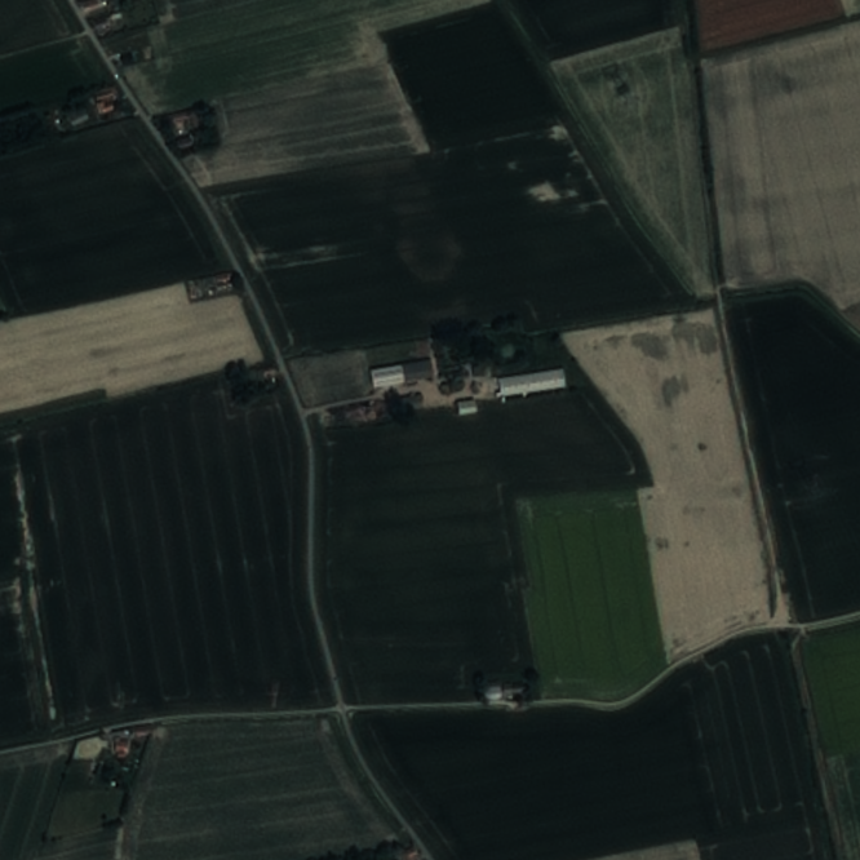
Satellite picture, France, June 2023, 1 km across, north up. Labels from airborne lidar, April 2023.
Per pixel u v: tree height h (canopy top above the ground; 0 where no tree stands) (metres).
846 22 0
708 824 0
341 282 0
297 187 0
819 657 0
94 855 0
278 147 0
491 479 0
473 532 0
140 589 0
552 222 0
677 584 0
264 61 0
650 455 0
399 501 0
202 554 0
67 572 0
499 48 0
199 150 6
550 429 0
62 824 0
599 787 0
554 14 0
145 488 0
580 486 0
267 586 0
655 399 0
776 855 0
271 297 0
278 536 0
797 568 0
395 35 0
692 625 0
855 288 0
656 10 0
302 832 0
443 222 0
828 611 0
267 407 0
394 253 0
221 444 0
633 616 0
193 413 0
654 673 0
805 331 0
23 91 0
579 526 0
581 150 0
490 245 0
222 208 0
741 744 0
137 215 0
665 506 0
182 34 0
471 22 0
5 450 0
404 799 0
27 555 0
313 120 0
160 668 0
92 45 0
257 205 0
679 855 0
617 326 0
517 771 0
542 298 0
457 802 0
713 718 0
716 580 0
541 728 0
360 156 0
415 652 0
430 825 0
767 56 0
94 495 0
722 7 0
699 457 0
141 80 0
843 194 0
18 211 0
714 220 0
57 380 0
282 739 0
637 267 0
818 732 0
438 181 0
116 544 0
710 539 0
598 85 0
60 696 0
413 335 0
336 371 0
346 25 0
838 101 0
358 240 0
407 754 0
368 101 0
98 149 0
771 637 0
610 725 0
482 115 0
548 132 0
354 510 0
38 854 0
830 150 0
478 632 0
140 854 0
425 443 0
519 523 0
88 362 0
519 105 0
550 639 0
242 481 0
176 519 0
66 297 0
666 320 0
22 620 0
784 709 0
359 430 0
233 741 0
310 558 0
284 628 0
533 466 0
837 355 0
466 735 0
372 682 0
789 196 0
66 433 0
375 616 0
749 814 0
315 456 0
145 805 0
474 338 17
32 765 0
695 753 0
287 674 0
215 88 0
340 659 0
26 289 0
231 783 0
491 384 0
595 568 0
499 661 0
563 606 0
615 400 0
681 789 0
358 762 0
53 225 0
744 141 0
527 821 0
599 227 0
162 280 0
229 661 0
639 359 0
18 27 0
